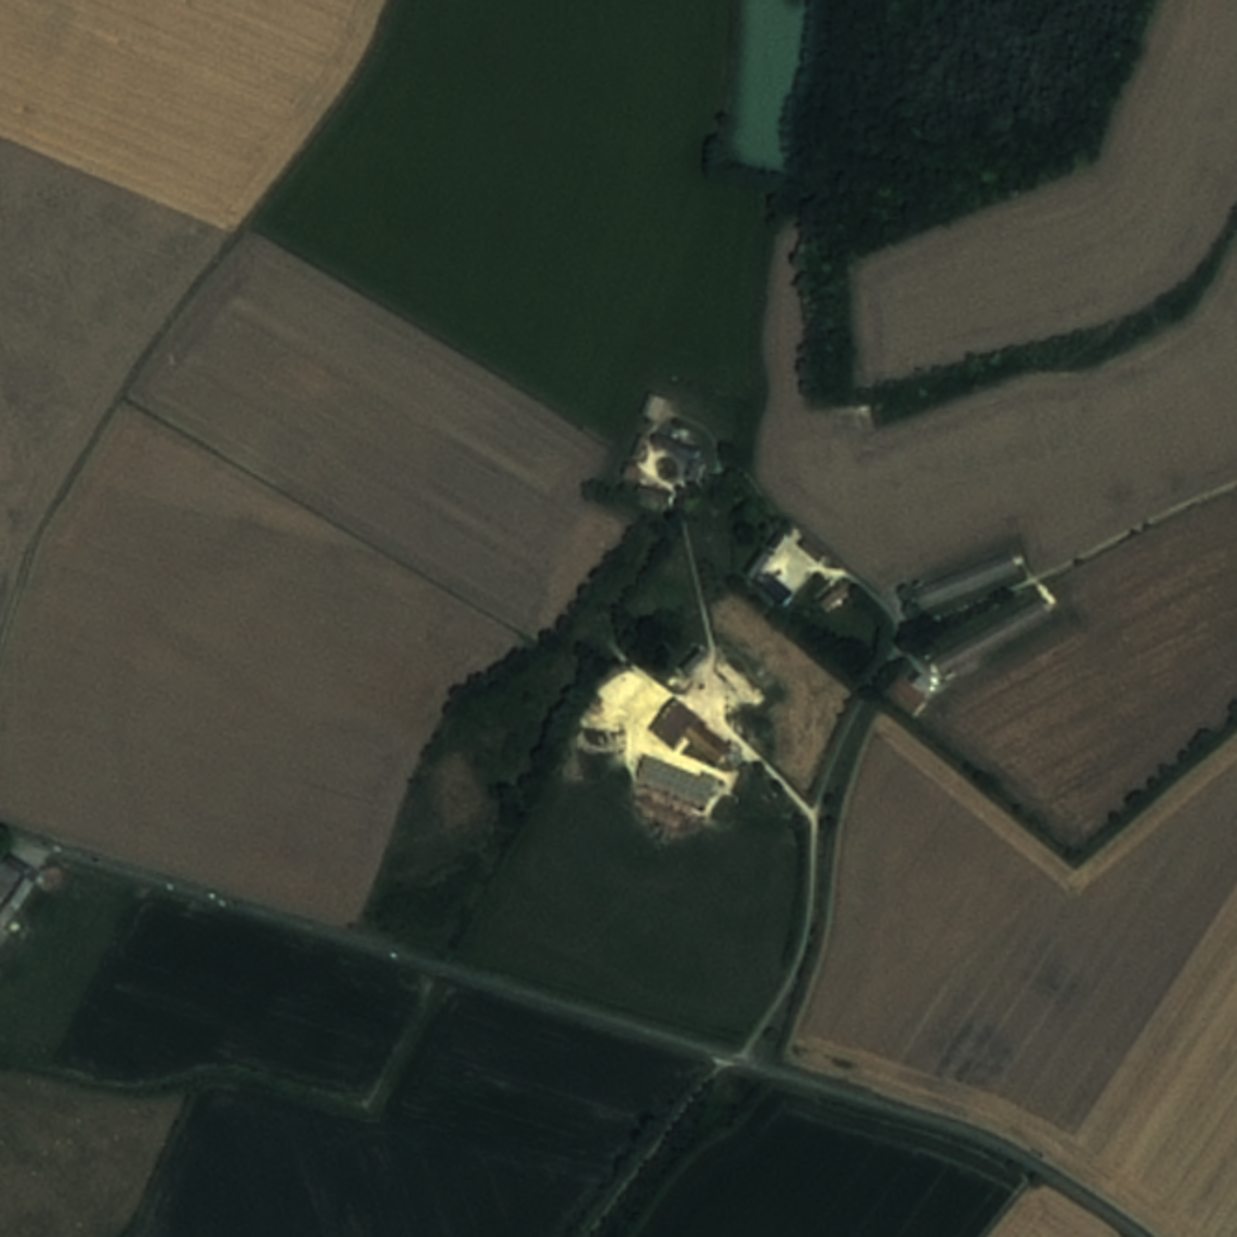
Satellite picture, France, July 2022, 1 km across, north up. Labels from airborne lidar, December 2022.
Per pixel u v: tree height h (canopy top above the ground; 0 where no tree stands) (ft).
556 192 0
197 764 0
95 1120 0
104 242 0
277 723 0
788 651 0
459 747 0
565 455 0
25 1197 0
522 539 0
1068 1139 0
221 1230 0
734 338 0
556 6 0
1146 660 0
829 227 47
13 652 0
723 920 0
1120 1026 0
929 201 29
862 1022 0
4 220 0
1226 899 0
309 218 0
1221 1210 0
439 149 0
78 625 0
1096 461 0
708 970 0
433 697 0
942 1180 0
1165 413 0
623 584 0
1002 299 0
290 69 0
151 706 0
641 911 0
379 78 0
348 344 0
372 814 0
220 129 0
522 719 0
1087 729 0
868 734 0
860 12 58
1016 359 25
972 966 0
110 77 0
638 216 0
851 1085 0
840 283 34
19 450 0
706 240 0
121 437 0
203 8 0
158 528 0
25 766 0
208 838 0
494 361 0
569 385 0
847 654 45
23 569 0
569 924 0
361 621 0
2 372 0
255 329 0
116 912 0
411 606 0
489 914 0
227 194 0
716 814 0
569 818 0
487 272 0
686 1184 0
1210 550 0
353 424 0
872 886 0
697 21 0
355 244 0
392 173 0
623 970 0
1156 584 0
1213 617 0
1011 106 54
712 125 0
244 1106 0
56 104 0
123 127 0
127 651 0
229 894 0
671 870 0
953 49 53
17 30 0
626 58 0
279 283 0
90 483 0
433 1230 0
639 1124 0
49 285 0
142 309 0
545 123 0
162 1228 0
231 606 0
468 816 0
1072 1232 0
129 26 0
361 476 0
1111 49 34
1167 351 0
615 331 0
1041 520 0
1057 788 0
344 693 0
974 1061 0
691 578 0
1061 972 0
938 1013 0
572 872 0
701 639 0
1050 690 0
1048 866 0
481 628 0
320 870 0
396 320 0
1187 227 0
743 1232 0
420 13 0
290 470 0
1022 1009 0
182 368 0
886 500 0
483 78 0
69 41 0
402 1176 0
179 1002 0
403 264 0
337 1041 0
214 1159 0
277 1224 0
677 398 0
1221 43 0
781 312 0
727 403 0
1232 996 0
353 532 0
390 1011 0
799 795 0
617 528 0
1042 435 0
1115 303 0
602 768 0
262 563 0
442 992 0
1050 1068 0
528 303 0
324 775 0
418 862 0
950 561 0
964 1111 0
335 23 0
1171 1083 0
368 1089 0
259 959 0
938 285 0
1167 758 0
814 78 73
